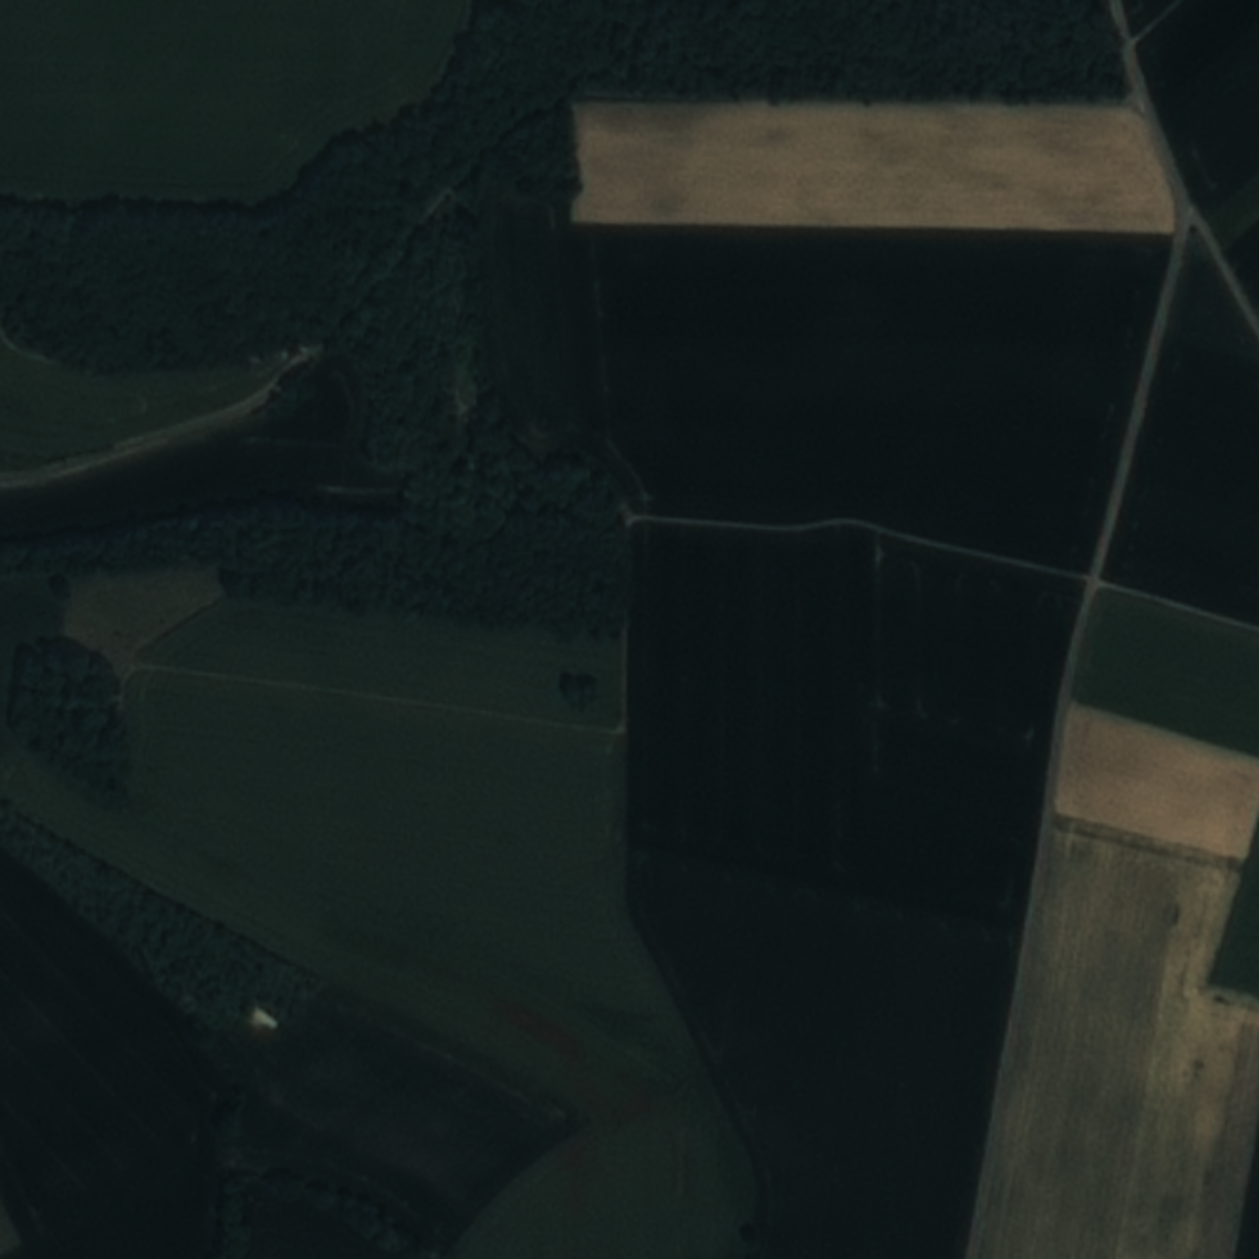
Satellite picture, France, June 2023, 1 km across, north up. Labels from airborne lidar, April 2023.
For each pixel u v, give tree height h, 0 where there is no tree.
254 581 22
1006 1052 0
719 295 0
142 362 14
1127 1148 0
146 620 0
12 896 0
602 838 0
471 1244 0
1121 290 0
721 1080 0
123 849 0
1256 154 0
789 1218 0
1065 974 0
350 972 0
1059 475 0
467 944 0
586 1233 0
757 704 0
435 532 24
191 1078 0
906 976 0
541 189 10
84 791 0
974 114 0
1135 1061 0
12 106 0
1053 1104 0
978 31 23
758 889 0
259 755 0
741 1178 0
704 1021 0
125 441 0
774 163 0
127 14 0
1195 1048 0
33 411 0
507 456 16
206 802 0
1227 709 0
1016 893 0
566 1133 0
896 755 0
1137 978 0
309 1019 0
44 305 18
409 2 0
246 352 17
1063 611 0
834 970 0
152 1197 0
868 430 0
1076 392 0
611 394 0
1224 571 0
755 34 26
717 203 0
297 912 0
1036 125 0
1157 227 0
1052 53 22
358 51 0
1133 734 0
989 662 0
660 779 0
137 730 0
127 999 0
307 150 0
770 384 0
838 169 0
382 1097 0
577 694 17
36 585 0
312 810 0
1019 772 0
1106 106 0
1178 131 0
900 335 0
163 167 0
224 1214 17
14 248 21
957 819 0
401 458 17
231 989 7
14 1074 0
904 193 0
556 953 0
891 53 20
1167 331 0
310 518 20
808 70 17
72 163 0
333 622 0
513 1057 0
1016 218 0
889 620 0
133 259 22
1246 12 0
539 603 23
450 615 18
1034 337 0
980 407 0
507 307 0
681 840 0
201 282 22
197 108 0
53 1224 0
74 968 0
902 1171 0
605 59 19
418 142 24
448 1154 0
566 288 0
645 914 0
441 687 0
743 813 0
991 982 0
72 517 0
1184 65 0
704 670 0
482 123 23
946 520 0
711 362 0
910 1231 0
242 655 0
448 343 11
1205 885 0
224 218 21
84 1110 0
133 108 0
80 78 0
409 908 0
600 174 0
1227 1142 0
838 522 0
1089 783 0
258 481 0
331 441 0
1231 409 0
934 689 0
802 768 0
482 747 0
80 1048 0
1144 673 0
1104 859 0
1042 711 0
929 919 0
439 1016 0
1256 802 0
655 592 0
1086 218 0
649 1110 0
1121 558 0
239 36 0
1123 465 0
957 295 0
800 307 0
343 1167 0
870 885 0
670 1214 0
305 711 0
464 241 15
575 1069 0
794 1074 0
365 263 25
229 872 0
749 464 0
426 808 0
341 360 0
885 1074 0
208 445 0
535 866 0
